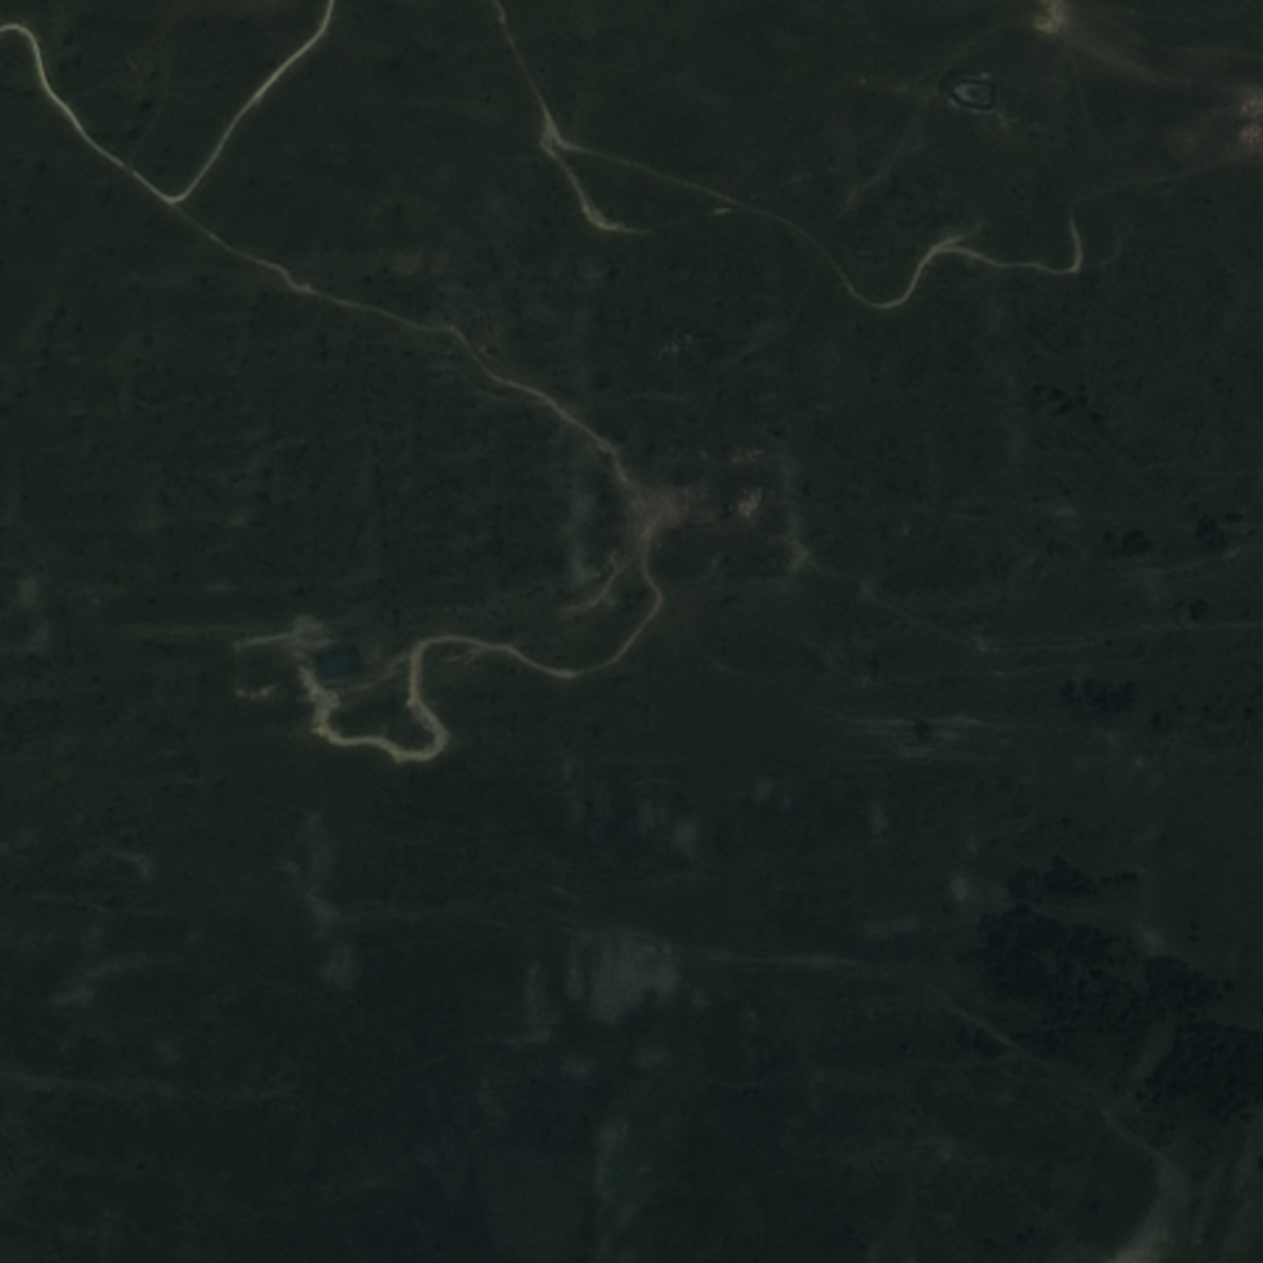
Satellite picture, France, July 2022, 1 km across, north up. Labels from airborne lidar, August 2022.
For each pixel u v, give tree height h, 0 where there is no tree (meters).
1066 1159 0
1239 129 0
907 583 0
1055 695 0
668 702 0
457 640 0
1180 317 0
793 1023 0
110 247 0
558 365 0
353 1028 0
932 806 0
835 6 0
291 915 0
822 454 0
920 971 0
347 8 0
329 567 0
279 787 0
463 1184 0
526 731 0
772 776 0
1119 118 0
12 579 0
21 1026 0
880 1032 0
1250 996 0
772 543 0
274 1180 0
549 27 0
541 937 0
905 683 0
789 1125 0
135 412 0
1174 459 0
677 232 0
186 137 0
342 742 0
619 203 0
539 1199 0
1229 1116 9
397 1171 0
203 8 0
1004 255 0
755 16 0
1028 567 0
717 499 0
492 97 0
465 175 0
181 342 0
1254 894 0
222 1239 0
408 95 0
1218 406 0
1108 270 0
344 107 0
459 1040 0
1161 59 0
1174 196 0
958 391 0
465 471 0
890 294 0
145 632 0
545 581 0
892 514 0
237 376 0
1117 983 11
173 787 0
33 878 0
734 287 0
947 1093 0
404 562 0
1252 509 0
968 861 0
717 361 0
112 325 0
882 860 0
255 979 0
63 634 0
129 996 0
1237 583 0
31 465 0
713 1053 0
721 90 0
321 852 0
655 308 0
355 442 0
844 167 0
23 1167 0
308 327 0
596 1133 0
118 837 0
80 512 0
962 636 0
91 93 0
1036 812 0
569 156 0
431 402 0
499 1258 0
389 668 0
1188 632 0
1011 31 0
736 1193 0
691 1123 0
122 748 0
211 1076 0
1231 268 0
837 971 0
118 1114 0
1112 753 0
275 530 0
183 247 0
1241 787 0
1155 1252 0
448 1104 0
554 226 0
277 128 0
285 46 0
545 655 0
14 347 0
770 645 0
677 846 0
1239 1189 0
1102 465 0
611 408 0
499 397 0
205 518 0
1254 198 0
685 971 0
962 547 0
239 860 0
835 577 0
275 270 0
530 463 0
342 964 0
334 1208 0
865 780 0
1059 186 0
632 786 0
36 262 0
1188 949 0
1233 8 0
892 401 0
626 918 0
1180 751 0
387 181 0
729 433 0
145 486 0
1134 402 0
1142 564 0
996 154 0
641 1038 0
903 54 0
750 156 0
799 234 0
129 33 0
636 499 0
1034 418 0
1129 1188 0
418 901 0
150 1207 0
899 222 0
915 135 0
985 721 0
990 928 8
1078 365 0
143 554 0
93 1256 0
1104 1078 0
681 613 0
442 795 0
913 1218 0
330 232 0
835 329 0
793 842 0
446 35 0
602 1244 0
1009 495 0
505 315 0
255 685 0
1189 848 0
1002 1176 0
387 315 0
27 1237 0
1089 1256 0
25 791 0
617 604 0
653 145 0
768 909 0
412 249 0
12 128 0
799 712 0
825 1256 0
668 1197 0
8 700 0
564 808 0
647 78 0
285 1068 0
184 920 0
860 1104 0
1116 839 0
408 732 0
